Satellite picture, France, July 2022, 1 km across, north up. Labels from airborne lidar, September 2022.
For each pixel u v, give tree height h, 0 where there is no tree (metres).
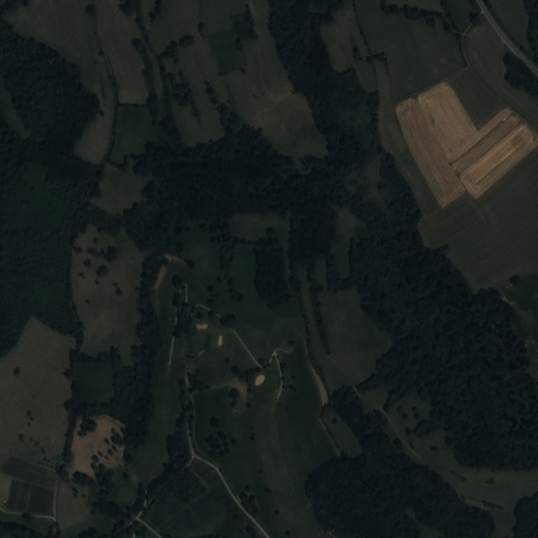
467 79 0
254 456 0
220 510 0
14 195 7
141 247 23
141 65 0
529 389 6
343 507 23
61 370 0
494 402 20
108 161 7
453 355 20
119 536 16
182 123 0
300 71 12
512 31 0
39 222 6
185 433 16
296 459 0
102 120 0
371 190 0
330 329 0
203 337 0
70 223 6
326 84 11
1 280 6
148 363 19
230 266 6
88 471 0
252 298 0
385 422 6
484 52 0
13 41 17
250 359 0
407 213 13
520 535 19
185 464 13
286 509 0
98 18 0
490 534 11
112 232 14
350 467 23
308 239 26
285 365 7
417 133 0
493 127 0
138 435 20
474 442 11
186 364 0
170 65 0
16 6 17
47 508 0
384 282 6
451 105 0
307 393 0
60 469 15
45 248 9
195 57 0
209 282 0
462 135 0
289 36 19
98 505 14
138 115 0
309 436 0
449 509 23
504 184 0
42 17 0
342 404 19
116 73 0
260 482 0
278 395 0
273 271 24
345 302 0
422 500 21
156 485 17
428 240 0
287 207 16
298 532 0
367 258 9
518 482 0
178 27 0
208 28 0
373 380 9
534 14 15
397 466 23
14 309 6
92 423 14
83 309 0
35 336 0
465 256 0
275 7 19
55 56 22
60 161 15
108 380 0
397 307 6
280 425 0
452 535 15
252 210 13
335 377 0
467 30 0
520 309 0
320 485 23
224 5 0
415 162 0
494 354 23
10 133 13
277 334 0
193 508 0
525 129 0
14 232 8
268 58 0
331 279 15
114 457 0
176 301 14
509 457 14
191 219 12
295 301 0
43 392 0
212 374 0
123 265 0
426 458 0
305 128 0
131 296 0
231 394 8
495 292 21
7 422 0
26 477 0
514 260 0
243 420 0
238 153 23
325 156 0
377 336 0
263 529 0
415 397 0
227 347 0
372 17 0
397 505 16
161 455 0
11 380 0
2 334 7
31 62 14
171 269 0
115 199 0
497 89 0
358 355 0
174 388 0
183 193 24
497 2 0
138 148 0
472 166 0
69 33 0
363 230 0
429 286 16
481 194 0
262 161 21
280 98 0
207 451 0
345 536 8
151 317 19
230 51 0
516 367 25
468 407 14
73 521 0
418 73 0
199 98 0
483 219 0
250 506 14
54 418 0
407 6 11
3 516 0
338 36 0
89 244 0
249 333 0
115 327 0
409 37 0
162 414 0
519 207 0
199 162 21
